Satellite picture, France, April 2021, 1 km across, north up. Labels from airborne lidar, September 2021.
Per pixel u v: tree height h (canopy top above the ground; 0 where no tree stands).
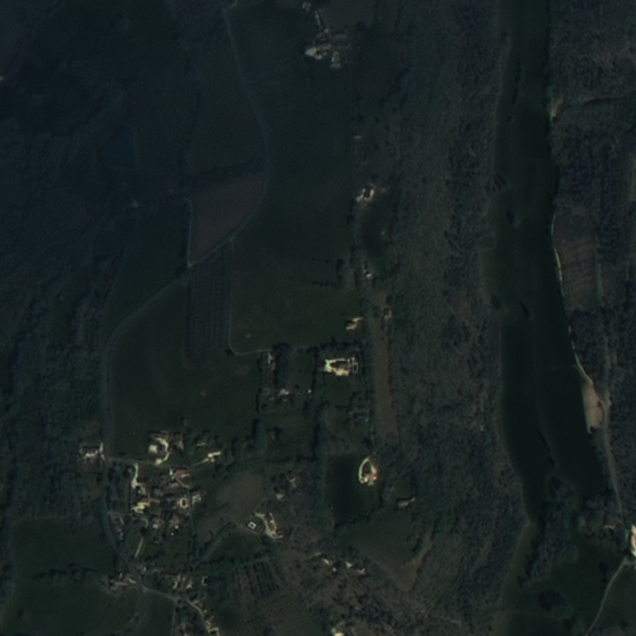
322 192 0
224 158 0
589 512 16
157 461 0
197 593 14
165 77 0
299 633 0
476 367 13
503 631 0
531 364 0
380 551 0
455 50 17
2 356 11
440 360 17
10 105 0
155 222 0
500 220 0
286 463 9
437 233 18
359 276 16
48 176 24
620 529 18
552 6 8
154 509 16
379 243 0
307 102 0
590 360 14
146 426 0
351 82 0
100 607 0
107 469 0
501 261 0
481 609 16
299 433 0
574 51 13
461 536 6
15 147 27
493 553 11
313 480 12
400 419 10
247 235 0
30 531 0
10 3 0
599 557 0
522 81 9
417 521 13
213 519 0
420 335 12
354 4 0
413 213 18
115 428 0
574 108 23
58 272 19
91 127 20
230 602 18
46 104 0
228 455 13
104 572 0
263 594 8
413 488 11
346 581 8
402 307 19
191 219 12
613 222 23
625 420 11
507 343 0
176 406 0
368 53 0
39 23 0
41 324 23
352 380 14
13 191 0
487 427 8
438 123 22
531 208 0
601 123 19
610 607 0
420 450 16
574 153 14
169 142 0
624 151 12
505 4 0
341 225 0
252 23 0
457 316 11
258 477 0
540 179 0
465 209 16
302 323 0
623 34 15
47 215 21
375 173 0
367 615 9
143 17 0
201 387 0
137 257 0
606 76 12
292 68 0
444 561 13
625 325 15
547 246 0
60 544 0
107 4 0
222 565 16
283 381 18
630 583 0
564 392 0
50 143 23
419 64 20
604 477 11
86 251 19
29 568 0
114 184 0
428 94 20
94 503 6
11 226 14
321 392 11
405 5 18
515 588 0
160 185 0
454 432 24
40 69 0
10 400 24
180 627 12
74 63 13
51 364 16
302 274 0
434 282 20
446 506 20
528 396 0
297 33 0
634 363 15
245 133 0
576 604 0
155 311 0
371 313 12
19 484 34
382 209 0
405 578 0
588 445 0
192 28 10
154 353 0
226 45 6
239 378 0
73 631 0
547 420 0
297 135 0
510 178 0
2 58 0
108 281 12
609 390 12
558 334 0
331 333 0
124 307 0
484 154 14
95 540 0
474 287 20
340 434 9
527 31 0
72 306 0
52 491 8
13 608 0
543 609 0
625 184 16
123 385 0
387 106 15
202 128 0
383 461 14
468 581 8
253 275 0
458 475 20
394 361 17
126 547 11
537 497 0
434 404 9
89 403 7
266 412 11
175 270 0
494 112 16
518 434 0
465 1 12
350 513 0
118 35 24
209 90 0
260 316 0
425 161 17
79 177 9
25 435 13
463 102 13
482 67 13
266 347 0
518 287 0
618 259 20
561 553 37
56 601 0
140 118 0
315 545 14
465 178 16
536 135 0
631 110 12
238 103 0
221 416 0
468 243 14
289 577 12
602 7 14
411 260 20
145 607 0
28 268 19
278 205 0
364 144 0
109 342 0
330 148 0
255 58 0
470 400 7
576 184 17
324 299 0
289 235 0
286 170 0
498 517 6
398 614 9
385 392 0
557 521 30
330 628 7
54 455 19
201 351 12
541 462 0
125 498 17
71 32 0
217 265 9
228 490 0
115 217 18
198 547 9
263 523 6
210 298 15
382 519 0
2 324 20
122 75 0
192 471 13
